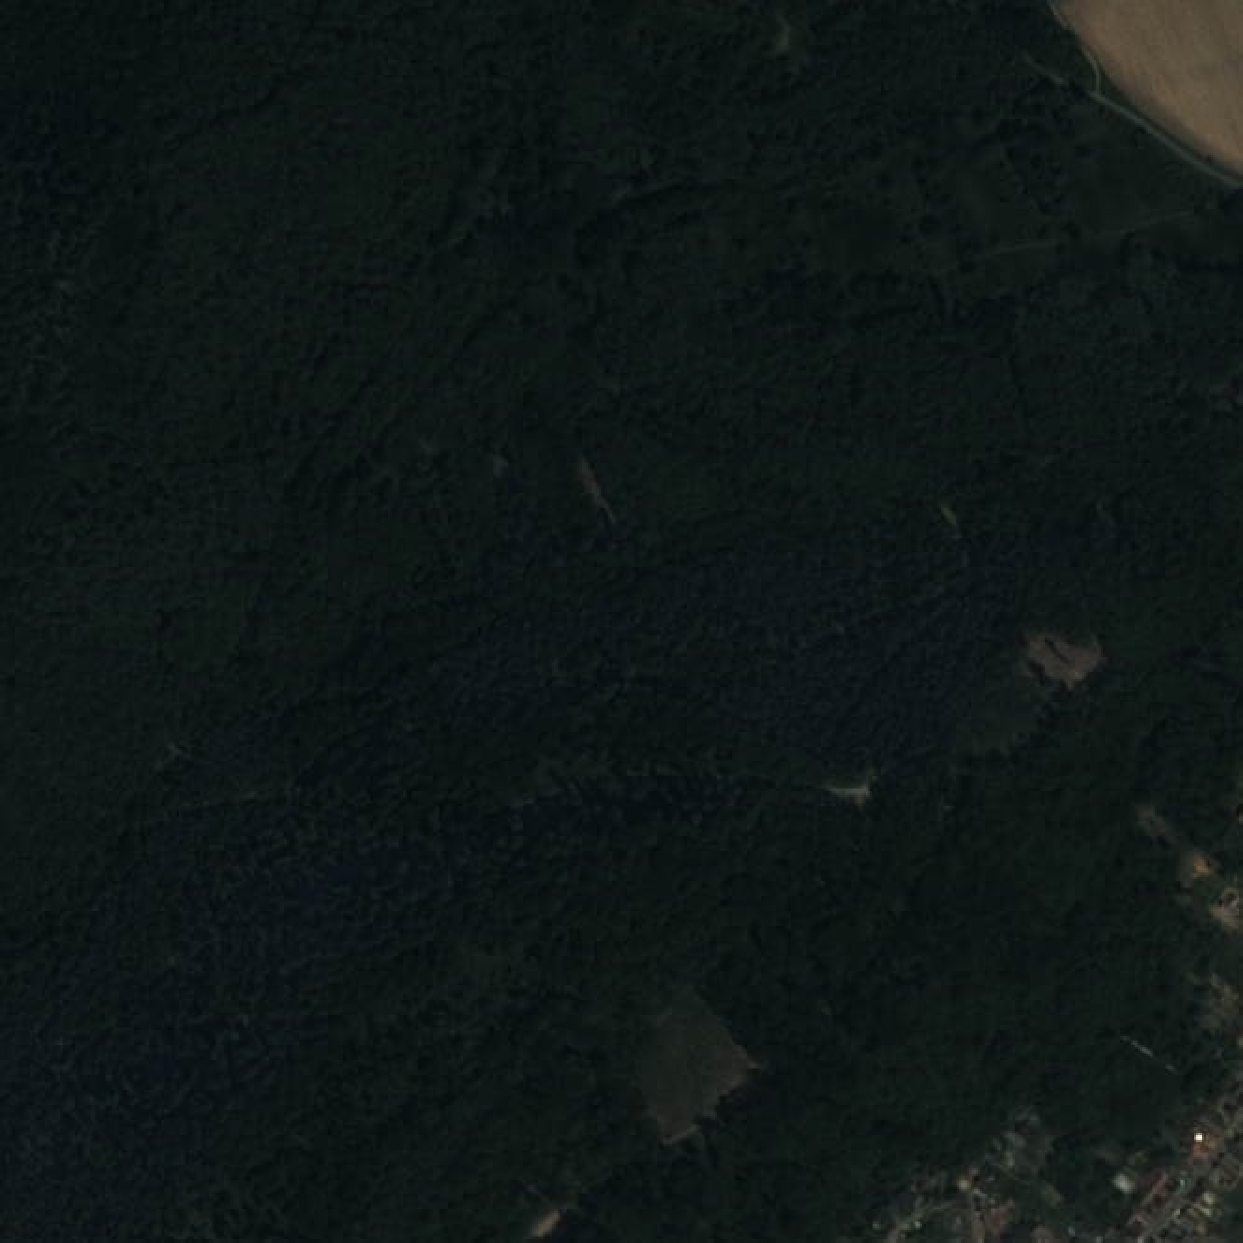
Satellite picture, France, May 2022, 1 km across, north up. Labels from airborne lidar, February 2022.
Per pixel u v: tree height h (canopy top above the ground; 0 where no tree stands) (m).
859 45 24
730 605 29
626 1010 28
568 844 31
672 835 29
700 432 27
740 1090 0
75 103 17
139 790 20
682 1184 31
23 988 27
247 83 21
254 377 20
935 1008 30
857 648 27
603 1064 33
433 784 28
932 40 31
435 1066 14
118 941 24
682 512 19
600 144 26
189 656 31
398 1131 19
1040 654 0
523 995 15
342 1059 20
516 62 25
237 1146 23
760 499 30
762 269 0
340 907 27
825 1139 28
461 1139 29
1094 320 26
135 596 25
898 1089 25
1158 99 0
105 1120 8
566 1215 0
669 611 25
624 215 19
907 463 28
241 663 26
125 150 14
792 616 24
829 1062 31
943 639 29
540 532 33
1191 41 0
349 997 20
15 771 20
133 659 27
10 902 24
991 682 25
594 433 23
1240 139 0
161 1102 27
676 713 28
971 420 24
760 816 29
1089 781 25
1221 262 0
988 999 26
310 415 23
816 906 31
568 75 27
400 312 21
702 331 31
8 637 23
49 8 13
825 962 31
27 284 23
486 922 32
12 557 15
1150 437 26
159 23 14
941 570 30
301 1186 21
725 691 29
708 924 26
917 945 30
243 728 22
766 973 31
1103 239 0
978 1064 29
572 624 30
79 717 25
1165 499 15
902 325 17
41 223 19
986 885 29
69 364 13
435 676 28
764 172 25
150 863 21
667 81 26
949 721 28
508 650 27
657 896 14
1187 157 0
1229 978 0
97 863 12
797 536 25
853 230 0
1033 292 8
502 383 22
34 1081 24
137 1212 22
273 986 27
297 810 9
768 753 25
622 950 20
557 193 37
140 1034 11
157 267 26
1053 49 24
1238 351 22
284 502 24
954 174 0
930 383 24
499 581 28
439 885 31
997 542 25
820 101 26
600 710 34
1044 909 28
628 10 27
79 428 20
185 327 23
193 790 21
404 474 28
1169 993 14
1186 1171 0
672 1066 0
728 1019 32
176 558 25
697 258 21
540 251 22
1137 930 23
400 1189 25
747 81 11
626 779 29
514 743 30
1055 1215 0
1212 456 11
